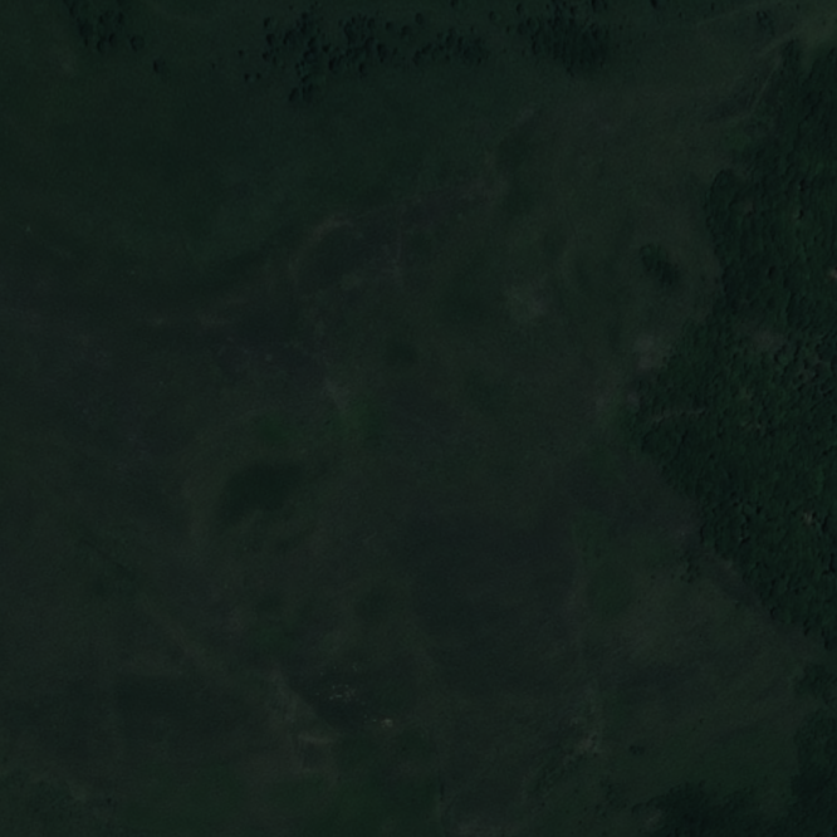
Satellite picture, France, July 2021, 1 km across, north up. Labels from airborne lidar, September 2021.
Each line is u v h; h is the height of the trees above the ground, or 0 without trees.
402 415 0
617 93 0
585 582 0
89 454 0
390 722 0
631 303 0
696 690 0
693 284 0
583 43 17
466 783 0
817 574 32
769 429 14
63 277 0
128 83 0
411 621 0
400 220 0
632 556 0
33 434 0
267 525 0
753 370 20
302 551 0
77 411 0
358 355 0
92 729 0
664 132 0
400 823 0
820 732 9
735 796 6
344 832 0
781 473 26
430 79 0
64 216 0
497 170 0
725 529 19
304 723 0
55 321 0
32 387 0
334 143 0
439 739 0
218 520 0
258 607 0
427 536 0
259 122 0
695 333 6
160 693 0
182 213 0
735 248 15
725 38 0
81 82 0
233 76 0
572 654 0
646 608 0
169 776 0
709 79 0
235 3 0
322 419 0
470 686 0
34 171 0
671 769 0
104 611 0
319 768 0
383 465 0
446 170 0
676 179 0
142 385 0
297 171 0
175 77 0
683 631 0
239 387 0
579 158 0
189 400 0
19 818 0
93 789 0
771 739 0
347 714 0
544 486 0
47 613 0
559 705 0
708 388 15
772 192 17
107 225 0
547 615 0
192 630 0
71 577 0
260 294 0
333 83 0
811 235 23
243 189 0
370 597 0
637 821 0
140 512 0
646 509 0
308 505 0
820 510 27
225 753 0
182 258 0
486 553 0
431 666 0
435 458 0
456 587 0
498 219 0
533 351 0
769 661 0
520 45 0
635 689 0
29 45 0
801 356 18
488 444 0
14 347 0
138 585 0
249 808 0
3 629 0
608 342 0
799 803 8
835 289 26
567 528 0
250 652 0
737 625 0
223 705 0
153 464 0
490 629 0
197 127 0
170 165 0
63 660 0
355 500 0
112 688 0
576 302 0
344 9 0
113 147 0
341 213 0
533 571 0
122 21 15
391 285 0
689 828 11
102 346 0
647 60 0
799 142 15
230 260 0
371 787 0
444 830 0
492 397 0
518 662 0
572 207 0
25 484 0
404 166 0
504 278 0
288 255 0
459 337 0
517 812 0
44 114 0
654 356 0
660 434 15
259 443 0
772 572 21
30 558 0
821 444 25
